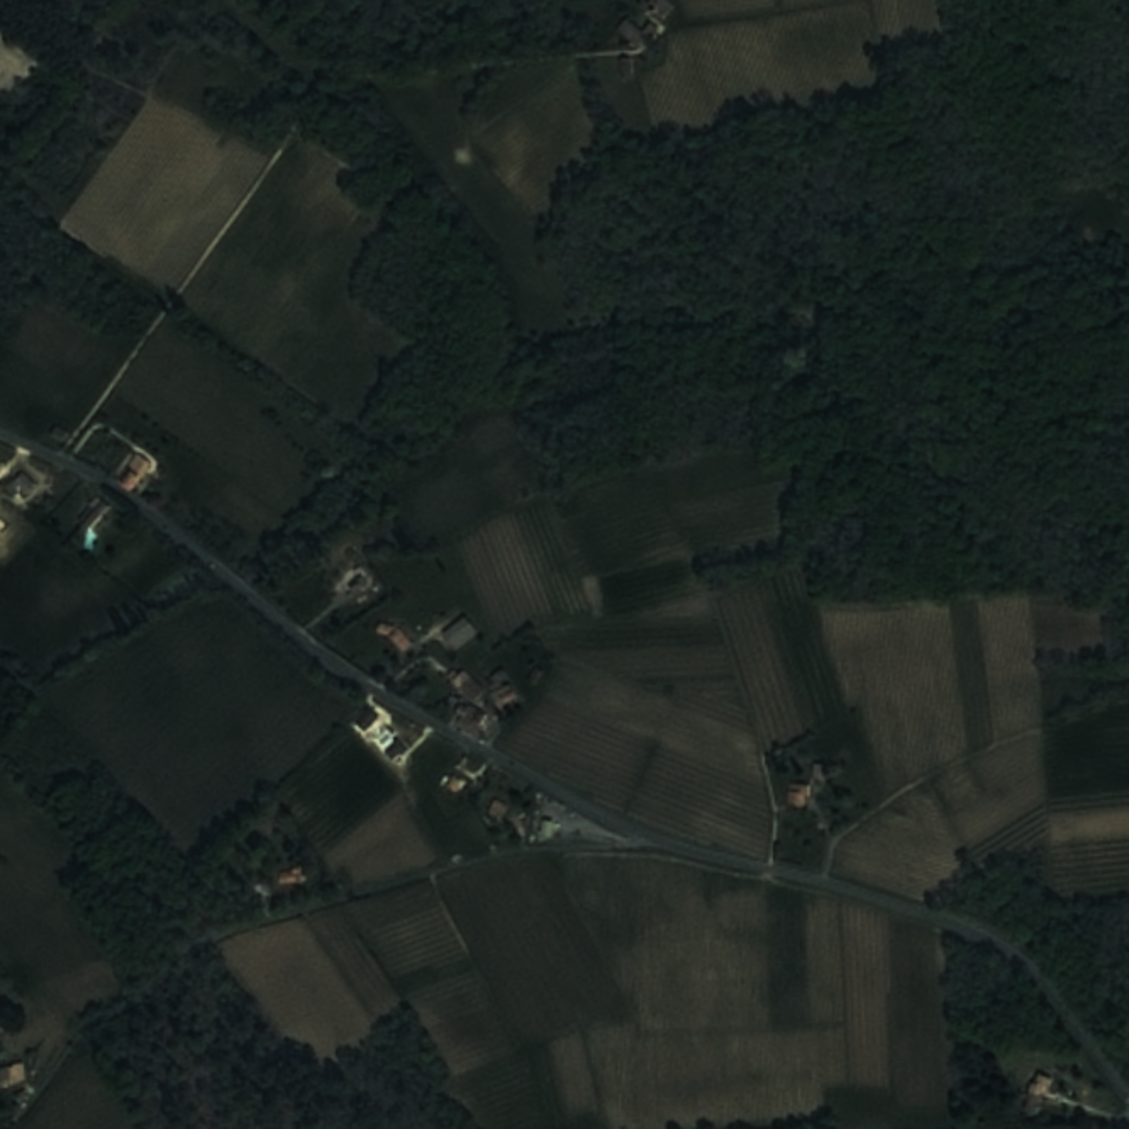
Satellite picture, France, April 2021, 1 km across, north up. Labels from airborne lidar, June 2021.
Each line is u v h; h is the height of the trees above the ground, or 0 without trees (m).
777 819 8
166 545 9
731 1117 0
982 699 0
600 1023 0
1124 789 0
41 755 0
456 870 0
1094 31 22
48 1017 0
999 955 19
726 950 0
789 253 25
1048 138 23
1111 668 20
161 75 9
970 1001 17
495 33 24
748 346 26
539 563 0
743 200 21
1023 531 17
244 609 10
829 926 0
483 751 0
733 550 0
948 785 0
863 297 24
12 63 0
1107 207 0
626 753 0
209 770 0
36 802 10
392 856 0
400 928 0
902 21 0
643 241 20
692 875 0
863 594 19
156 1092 17
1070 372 24
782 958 0
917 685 0
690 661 0
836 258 21
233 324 0
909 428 22
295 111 24
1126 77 21
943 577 20
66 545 7
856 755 0
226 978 16
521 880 0
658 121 0
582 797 0
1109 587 26
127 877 22
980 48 27
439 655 0
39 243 22
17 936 0
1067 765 0
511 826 10
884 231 22
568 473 18
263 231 0
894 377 20
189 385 0
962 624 0
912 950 0
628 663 0
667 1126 0
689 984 0
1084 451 23
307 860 15
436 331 18
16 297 15
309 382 0
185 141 0
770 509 0
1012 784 0
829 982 0
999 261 26
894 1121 0
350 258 0
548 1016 0
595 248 23
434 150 0
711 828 0
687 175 26
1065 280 24
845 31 0
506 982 0
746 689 0
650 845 0
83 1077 0
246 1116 11
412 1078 15
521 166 0
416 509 0
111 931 19
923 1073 0
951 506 20
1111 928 21
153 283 0
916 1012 0
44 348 0
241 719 0
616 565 0
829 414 19
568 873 0
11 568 0
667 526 0
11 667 10
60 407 0
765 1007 0
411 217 25
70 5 17
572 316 12
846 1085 0
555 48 17
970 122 19
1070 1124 12
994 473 18
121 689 0
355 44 18
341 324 0
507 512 0
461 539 0
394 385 19
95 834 15
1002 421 22
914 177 20
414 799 0
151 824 21
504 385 21
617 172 25
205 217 0
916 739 0
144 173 0
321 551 17
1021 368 27
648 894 0
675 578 0
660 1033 0
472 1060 0
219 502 0
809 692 0
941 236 25
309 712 0
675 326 22
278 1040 7
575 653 0
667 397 22
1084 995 22
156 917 23
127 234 0
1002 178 20
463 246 22
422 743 0
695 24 0
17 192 18
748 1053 0
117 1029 6
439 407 26
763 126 20
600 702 0
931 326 28
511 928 0
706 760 0
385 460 23
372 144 18
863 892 0
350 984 0
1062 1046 18
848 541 22
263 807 15
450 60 22
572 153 0
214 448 0
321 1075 23
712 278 22
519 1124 0
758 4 0
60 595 0
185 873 22
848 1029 0
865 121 22
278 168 0
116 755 0
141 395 0
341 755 0
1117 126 18
